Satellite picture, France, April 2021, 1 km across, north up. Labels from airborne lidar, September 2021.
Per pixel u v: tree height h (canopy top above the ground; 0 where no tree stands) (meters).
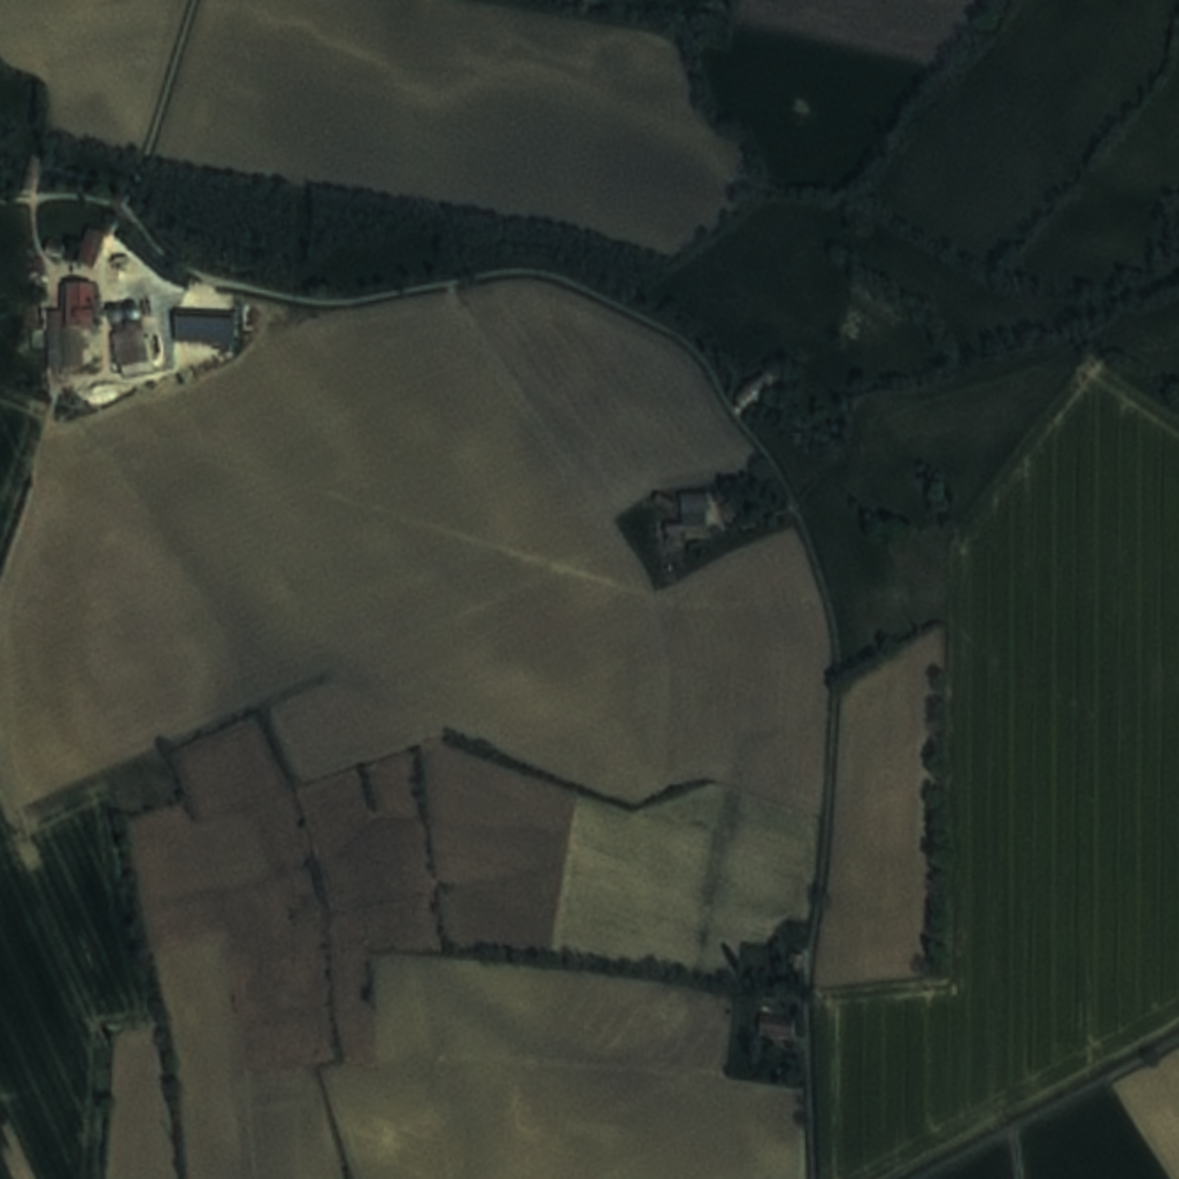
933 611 0
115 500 0
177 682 0
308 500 0
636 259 17
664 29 18
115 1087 0
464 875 0
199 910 0
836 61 0
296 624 0
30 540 0
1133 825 0
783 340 0
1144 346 0
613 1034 0
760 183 19
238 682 0
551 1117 0
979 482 0
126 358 0
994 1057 0
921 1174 0
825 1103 0
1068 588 0
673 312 14
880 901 0
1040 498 0
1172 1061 0
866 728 0
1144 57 0
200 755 0
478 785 0
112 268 0
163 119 0
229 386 0
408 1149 0
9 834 0
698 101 11
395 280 0
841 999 0
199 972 0
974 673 0
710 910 0
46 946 0
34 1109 0
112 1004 0
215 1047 0
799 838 0
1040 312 0
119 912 0
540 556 0
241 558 0
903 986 0
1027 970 0
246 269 20
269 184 13
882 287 16
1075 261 0
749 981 9
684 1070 0
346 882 0
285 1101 0
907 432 0
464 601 0
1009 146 0
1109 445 0
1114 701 0
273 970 0
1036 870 0
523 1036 0
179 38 0
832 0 0
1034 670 0
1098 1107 0
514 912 0
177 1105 13
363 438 0
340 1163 0
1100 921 0
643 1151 0
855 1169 0
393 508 0
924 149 0
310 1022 0
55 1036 0
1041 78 0
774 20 0
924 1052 0
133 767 0
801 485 0
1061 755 0
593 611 0
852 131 0
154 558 0
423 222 17
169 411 0
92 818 0
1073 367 0
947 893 18
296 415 0
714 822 0
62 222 0
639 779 0
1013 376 0
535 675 0
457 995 0
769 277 0
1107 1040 0
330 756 0
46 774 0
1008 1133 0
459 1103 0
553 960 10
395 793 0
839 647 0
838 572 0
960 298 0
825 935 0
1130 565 0
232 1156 0
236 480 0
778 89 0
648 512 0
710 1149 0
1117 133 16
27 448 0
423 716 0
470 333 0
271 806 0
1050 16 0
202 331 0
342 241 15
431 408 0
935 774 18
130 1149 0
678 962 0
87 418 0
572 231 13
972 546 0
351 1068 0
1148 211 0
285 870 0
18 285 0
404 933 0
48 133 11
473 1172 0
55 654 0
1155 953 0
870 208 25
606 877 0
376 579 0
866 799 0
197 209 19
